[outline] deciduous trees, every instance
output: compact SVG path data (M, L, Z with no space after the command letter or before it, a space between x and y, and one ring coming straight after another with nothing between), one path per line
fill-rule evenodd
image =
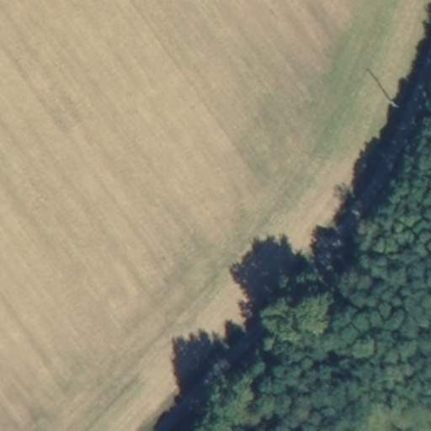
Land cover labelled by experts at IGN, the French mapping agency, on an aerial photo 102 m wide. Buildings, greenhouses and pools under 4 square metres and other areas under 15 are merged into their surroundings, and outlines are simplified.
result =
M253 347L247 350L244 357L236 360L236 365L222 369L226 379L214 384L212 396L207 401L199 402L197 409L199 414L204 416L202 428L195 429L190 424L185 431L364 431L375 404L394 407L396 411L401 411L402 416L414 407L423 407L431 411L431 81L424 104L424 130L421 131L421 135L402 146L404 168L394 180L391 180L394 195L389 205L377 210L375 219L370 224L360 224L359 234L355 236L355 244L350 247L350 253L345 254L342 259L333 259L333 268L328 269L327 278L301 276L300 279L291 279L286 276L276 279L268 286L271 293L263 301L263 305L266 306L261 313L263 325L254 333Z

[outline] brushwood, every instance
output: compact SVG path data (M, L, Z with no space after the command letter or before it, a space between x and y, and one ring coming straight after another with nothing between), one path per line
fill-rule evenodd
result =
M375 404L364 431L431 431L431 411L423 407L414 407L402 416L401 411L396 411L394 407Z

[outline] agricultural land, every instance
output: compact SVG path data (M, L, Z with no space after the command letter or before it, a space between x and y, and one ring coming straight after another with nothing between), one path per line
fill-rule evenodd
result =
M283 266L286 259L293 253L306 256L310 253L315 229L330 226L337 210L340 209L343 197L352 187L355 162L359 160L360 153L364 152L365 145L372 138L379 138L380 130L386 125L387 111L399 91L399 81L411 71L419 40L424 37L424 22L428 20L428 15L431 15L431 0L0 0L0 431L153 431L158 416L173 404L173 397L178 392L177 375L192 360L207 357L209 350L214 347L214 340L226 337L227 322L241 325L246 322L239 308L241 301L247 301L249 298L263 301L271 293L268 286L276 279L286 276Z

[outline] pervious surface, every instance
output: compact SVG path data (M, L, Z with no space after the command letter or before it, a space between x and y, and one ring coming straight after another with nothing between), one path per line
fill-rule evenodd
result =
M204 416L199 414L197 409L199 402L207 401L212 396L214 384L226 379L222 369L236 365L236 360L244 357L247 350L253 347L254 333L263 325L261 313L266 306L263 305L263 301L249 298L247 301L241 301L239 308L246 322L241 325L227 322L226 337L214 340L214 347L209 350L207 357L192 360L177 375L178 392L173 397L173 404L158 416L153 431L185 431L190 424L195 429L202 428Z
M428 15L428 20L424 22L424 37L419 40L411 71L399 81L399 91L387 111L386 125L380 130L379 138L372 138L365 145L364 152L360 153L359 160L355 162L352 187L343 197L340 209L337 210L330 226L315 229L310 253L306 256L293 253L286 259L283 266L286 276L291 279L300 279L301 276L327 278L328 269L333 268L333 259L342 259L345 254L350 253L350 247L355 244L355 236L359 234L360 224L370 224L375 219L377 210L389 205L394 195L391 180L394 180L404 168L402 146L421 135L421 131L424 130L424 104L431 81L431 15Z

